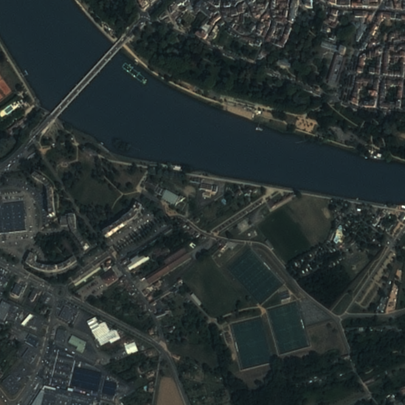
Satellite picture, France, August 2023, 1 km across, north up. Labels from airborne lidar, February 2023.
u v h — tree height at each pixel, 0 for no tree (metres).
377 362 14
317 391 13
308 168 0
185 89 0
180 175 18
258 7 0
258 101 18
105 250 28
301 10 15
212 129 0
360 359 14
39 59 0
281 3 0
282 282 0
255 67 19
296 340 0
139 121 0
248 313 10
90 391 0
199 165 0
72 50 0
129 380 8
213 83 32
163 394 0
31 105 0
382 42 8
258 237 0
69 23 0
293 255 0
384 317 0
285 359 0
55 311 0
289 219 0
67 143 13
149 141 0
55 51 0
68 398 0
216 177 0
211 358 0
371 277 0
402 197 0
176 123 0
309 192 0
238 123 0
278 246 0
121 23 20
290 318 0
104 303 15
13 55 0
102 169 18
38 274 8
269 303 0
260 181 0
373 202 0
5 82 0
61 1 0
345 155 0
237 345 0
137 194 0
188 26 19
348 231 13
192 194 0
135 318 0
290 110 21
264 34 0
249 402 18
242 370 0
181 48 19
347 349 0
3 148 29
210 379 0
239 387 24
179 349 0
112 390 0
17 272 0
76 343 0
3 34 0
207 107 0
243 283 0
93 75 0
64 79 0
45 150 0
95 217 15
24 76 0
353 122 0
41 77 0
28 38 0
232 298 0
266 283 0
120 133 0
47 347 0
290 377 14
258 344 0
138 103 0
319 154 0
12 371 0
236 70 22
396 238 0
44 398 0
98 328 0
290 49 18
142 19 0
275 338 0
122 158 0
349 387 13
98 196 0
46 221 0
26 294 0
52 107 0
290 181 0
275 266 0
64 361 0
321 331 0
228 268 0
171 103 0
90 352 0
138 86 0
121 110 0
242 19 0
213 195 0
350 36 28
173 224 11
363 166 0
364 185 0
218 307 0
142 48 20
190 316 8
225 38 0
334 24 0
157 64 24
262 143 0
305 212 0
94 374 0
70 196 0
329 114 14
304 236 0
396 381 0
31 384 0
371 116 18
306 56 21
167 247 14
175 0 21
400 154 13
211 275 0
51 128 0
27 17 0
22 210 0
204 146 0
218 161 0
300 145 0
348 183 0
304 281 11
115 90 0
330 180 0
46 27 0
